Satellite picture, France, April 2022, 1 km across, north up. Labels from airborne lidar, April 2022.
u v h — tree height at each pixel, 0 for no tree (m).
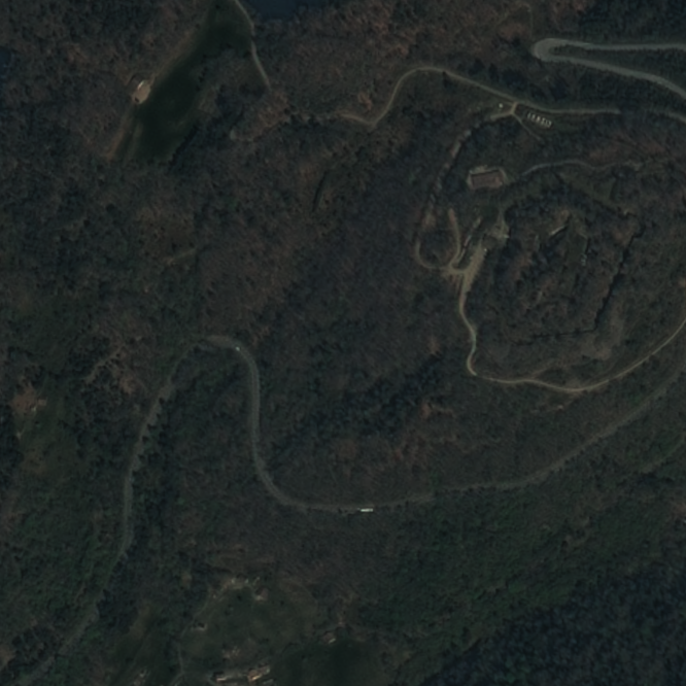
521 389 23
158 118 0
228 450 6
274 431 14
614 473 23
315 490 20
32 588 14
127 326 23
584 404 19
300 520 25
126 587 30
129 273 28
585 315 18
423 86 8
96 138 18
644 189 22
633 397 18
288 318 27
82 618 10
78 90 16
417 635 18
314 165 23
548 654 8
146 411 28
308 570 27
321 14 20
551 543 17
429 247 14
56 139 17
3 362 40
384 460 18
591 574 23
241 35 0
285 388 15
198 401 17
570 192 25
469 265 0
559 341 16
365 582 29
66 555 21
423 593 25
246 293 15
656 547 9
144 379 28
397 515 15
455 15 12
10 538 25
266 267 16
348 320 21
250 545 26
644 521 14
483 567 22
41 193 23
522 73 0
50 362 7
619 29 15
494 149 19
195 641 0
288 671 0
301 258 19
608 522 20
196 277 22
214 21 0
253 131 22
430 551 17
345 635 10
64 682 22
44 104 12
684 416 19
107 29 21
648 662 12
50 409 0
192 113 0
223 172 21
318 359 24
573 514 27
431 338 16
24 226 27
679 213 8
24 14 6
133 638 0
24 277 25
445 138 24
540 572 26
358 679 0
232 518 19
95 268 29
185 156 23
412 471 16
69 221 24
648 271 18
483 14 20
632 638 19
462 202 23
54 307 7
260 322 17
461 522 26
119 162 12
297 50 15
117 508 22
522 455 22
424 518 26
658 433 19
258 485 19
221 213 19
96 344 10
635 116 25
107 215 25
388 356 18
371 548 24
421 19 10
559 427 6
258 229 20
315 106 13
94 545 16
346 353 20
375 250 24
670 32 9
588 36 13
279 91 22
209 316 15
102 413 21
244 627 0
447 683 10
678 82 8
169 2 25
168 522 10
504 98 0
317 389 7
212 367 31
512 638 9
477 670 28
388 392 22
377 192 23
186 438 19
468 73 21
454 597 20
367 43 14
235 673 0
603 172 0
